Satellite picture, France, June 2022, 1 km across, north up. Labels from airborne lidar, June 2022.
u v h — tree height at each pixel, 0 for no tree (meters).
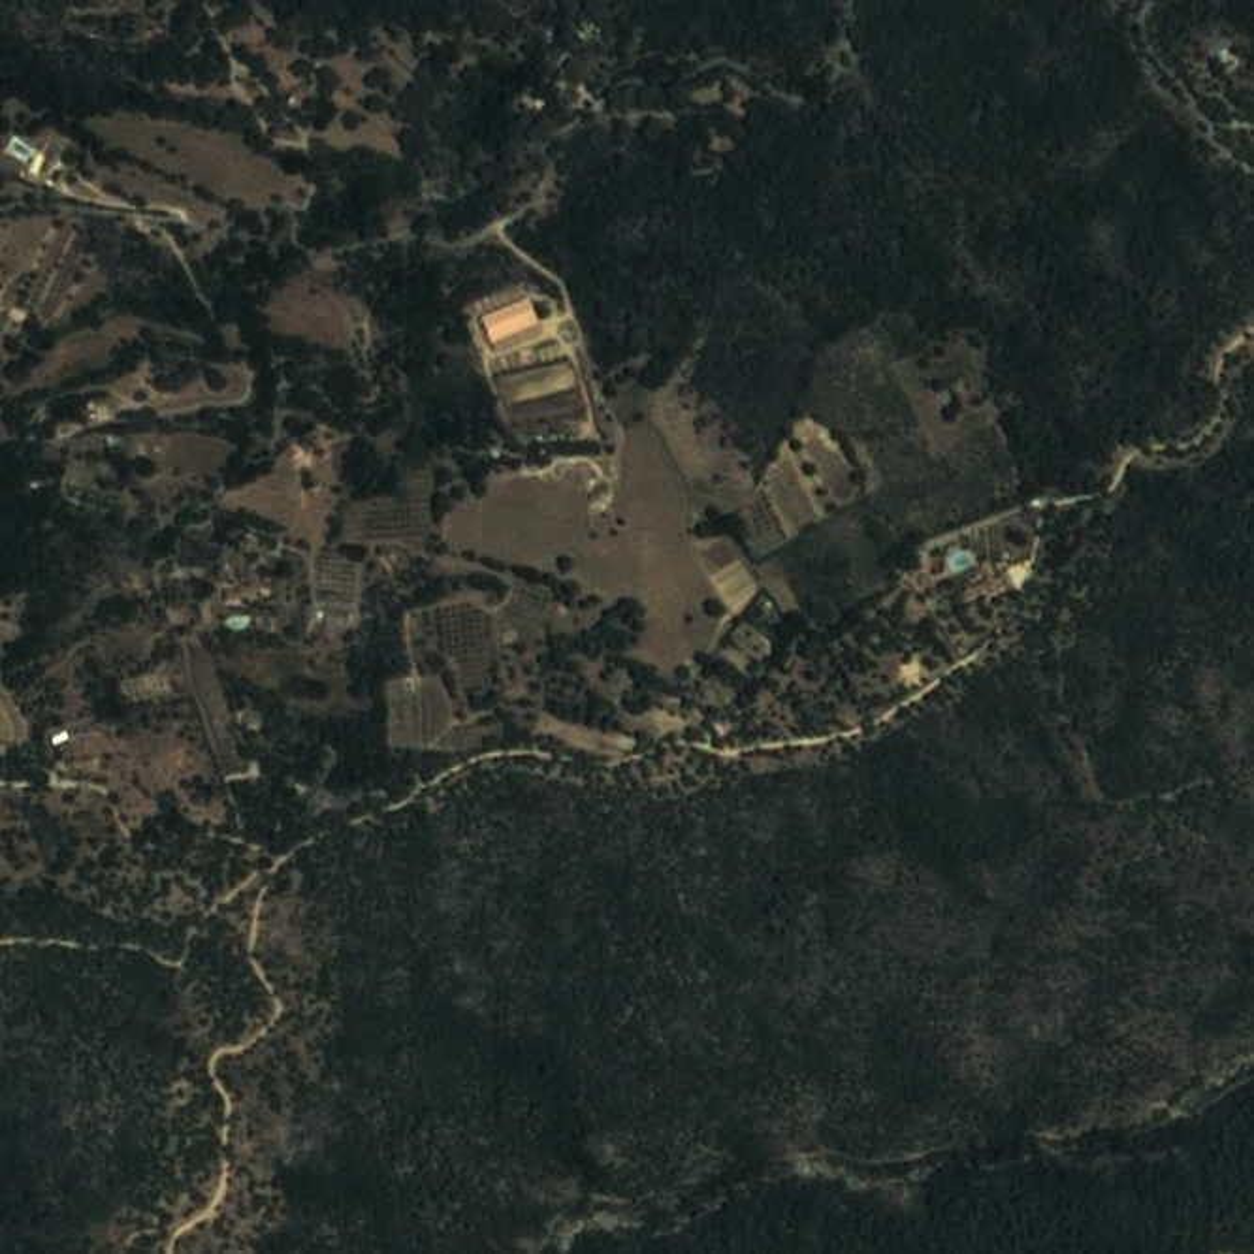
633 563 0
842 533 0
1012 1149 10
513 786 6
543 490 0
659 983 8
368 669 7
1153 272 7
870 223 7
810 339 6
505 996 6
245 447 9
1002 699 10
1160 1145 6
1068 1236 6
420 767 13
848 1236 9
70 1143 6
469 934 6
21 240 0
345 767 10
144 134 0
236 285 9
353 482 8
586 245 6
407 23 7
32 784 6
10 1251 6
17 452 8
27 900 13
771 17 6
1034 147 10
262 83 10
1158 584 6
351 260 7
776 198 7
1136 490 10
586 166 6
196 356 9
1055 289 9
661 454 0
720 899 6
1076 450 8
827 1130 9
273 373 12
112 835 6
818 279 7
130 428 13
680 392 6
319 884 6
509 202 6
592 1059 8
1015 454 10
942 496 0
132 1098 11
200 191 10
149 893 13
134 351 8
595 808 6
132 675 7
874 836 8
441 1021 6
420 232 9
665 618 0
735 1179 7
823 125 8
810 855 8
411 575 8
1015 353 6
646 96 16
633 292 8
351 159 10
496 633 0
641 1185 7
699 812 6
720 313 5
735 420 8
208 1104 9
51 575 7
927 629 12
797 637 12
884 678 6
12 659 10
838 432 8
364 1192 12
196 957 8
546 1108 7
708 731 6
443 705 0
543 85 12
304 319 0
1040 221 6
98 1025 6
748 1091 6
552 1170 6
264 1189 8
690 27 6
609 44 8
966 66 9
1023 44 9
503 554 0
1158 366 7
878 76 6
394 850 11
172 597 6
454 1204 11
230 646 6
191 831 7
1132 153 10
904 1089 7
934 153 8
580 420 0
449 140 10
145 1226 5
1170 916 6
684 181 11
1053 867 6
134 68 8
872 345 0
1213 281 5
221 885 8
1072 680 6
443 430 13
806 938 12
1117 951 6
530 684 7
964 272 6
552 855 6
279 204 7
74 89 9
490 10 16
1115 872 6
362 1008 8
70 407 8
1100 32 8
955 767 5
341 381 10
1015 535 20
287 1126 0
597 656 6
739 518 6
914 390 0
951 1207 11
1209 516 8
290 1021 6
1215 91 7
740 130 10
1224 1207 12
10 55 10
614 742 0
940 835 7
